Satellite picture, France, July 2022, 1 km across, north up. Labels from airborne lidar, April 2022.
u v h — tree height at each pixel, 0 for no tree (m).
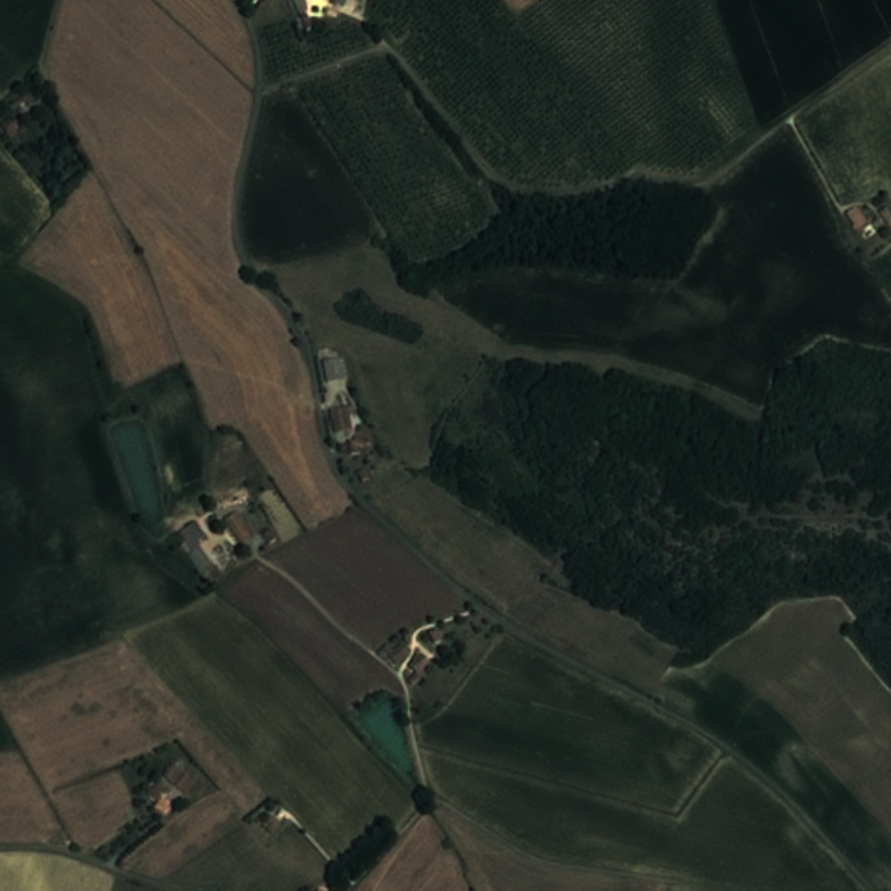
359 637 0
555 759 0
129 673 0
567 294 0
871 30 0
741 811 0
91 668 0
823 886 0
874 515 6
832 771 0
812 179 0
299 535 0
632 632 0
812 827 0
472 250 14
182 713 0
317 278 0
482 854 0
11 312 0
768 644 0
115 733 0
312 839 0
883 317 0
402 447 0
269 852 0
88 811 0
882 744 0
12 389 0
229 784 0
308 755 0
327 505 0
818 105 0
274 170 0
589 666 0
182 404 0
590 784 0
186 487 0
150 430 0
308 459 0
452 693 0
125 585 0
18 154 8
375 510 0
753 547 10
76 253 0
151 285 0
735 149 0
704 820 0
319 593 0
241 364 0
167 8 0
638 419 16
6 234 0
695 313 0
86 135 0
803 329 0
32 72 5
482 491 9
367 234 0
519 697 0
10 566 0
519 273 0
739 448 12
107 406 0
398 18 5
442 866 0
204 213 0
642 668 0
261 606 0
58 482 0
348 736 0
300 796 0
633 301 0
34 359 0
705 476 14
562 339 0
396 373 0
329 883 13
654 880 0
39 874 0
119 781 0
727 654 0
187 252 0
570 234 21
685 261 15
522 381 17
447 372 0
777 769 0
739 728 0
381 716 0
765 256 0
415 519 0
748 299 0
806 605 0
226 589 0
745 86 0
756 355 0
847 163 0
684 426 17
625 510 6
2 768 0
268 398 0
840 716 0
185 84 0
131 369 0
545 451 15
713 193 0
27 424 0
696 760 0
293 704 0
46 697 0
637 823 0
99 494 0
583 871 0
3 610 0
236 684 0
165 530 0
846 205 0
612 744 0
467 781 0
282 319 0
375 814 0
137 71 0
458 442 0
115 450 0
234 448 0
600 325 0
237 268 0
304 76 0
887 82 0
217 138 0
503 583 0
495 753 0
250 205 0
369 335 0
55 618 0
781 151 0
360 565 0
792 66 0
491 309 0
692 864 0
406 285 14
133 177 0
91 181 0
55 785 0
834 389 6
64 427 0
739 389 0
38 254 0
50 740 0
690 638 6
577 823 0
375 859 18
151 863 0
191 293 0
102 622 0
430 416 0
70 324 0
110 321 0
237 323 0
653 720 0
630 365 0
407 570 0
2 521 0
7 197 0
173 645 0
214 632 0
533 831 0
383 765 0
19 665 0
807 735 0
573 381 21
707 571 9
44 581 0
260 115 0
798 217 0
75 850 8
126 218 0
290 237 0
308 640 0
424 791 16
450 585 0
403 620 0
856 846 0
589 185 0
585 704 0
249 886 0
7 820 0
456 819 0
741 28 0
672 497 10
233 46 0
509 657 0
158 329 0
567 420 16
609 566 9
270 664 0
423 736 0
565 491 11
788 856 0
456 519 0
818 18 0
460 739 0
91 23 0
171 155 0
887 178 0
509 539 0
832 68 0
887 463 11
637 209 23
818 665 0
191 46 0
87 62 0
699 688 0
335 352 0
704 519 8
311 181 0
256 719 0
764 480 12
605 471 8
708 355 0
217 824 0
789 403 8
